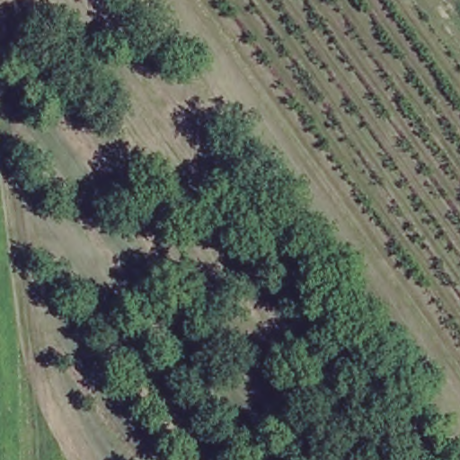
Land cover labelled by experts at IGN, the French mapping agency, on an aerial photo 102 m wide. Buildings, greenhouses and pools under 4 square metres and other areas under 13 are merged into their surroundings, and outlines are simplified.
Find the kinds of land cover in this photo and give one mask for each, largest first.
<instances>
[{"label":"herbaceous vegetation","instance_id":"1","mask_svg":"<svg viewBox=\"0 0 460 460\"><path fill-rule=\"evenodd\" d=\"M36 0H0V63L5 57L11 56V47L22 36L23 23L27 22V16L32 13V5ZM108 0H70L66 4V9L77 11L79 22L86 23V45L92 43L97 32L119 29L122 25L119 14L110 13L106 9ZM286 13L296 25H300L307 38L305 43H300L293 34H287L284 23L279 22V14L268 0H235L232 4V14L226 18L219 16L217 9L210 7L207 0H169L164 5L165 16L178 20L180 34L198 38L201 43H205L212 63L201 74L192 75L189 83L164 81L162 77H158L156 74L160 72V65L151 56L146 57L144 61H133L131 68L119 66L115 77L119 79L120 86L129 93L131 108L124 113L122 124L113 133H88V120L74 111L66 113L63 119L56 117L50 126L40 124V128H29L23 124L27 119L23 115V95L27 88V79L22 77L16 84L5 83L0 79V460H169L162 453V449H158V440L167 435L169 429L160 426V429L151 433L146 426H142V422L135 419L131 408L140 402V395L113 399L104 390L106 365L102 363L97 350L86 345V336L92 334L90 325L68 322L65 325L56 318L59 311L52 300L54 291L47 282L38 284L32 279L27 262L31 259V248H43L54 255L56 261L65 259L70 262V275L101 282L99 302L95 305V311L104 318L113 311L115 305L124 300L122 293L126 289L131 291L138 282L146 279L155 264L164 262L165 257L178 261V248L171 246L167 250L164 232L158 226L151 225L149 221L146 225L140 226L138 235L131 239H122L117 234H101L99 228H95L99 225L101 217L95 208V199L106 198L113 190L124 189L129 183V165L144 151L147 155L160 153L164 156L169 165L178 171L181 189L185 190V194L189 198L199 199V187L205 183L210 172L216 169V160L219 158L210 147L207 131L210 124L216 122V113L212 106L216 97H223V101L226 102H241L244 110H257L261 113V122H257L252 129L253 138H257L262 146L279 147L286 155L284 164L289 172L295 178H304L309 185V210L327 217V223L331 225L332 235L336 241L349 243L350 250L361 253L363 262L368 264L367 270L361 273V284H365V291L388 305L390 320L401 323L408 329V340L417 341L422 354L444 374L440 392L435 395L433 404L437 406L438 413H451L449 438L460 437V347H456L453 334L438 322V318H446L453 314L456 323L460 325V183L444 174L437 156L431 155V151L424 146L420 137L413 135V128L408 124V119L401 117V113L395 108L394 93L386 90L385 81L377 74L376 65L370 61L367 54L372 52L377 61H381L386 74L392 77L397 90L401 93L402 99L410 102L413 111L419 115L428 129L429 137L435 140L440 151H444L447 162L460 176V153L453 142L444 137L442 128L438 126V117H446L455 128L456 135H460V111L453 110L446 99L438 93L428 68L411 50L410 41L404 40L397 25L386 16L383 4L379 0H316L313 4L314 13L322 16L334 36V43H327V38L322 32L309 29L302 0H286ZM368 14L376 16L381 29L386 32V36L395 47L401 50L404 57L394 59L390 54H386L383 47L377 45ZM343 16H349L354 29L367 43V50L359 49L358 43L345 34ZM266 27H271L282 40L284 49L289 50L287 56H279L275 43L268 41ZM291 59H296L298 66L309 74L316 90L322 93L320 101H309L302 93L300 84L293 79L291 70L287 68V65H291ZM410 68L419 77L429 97L437 102V106L429 108L417 90L404 81V72ZM289 99H295L298 104H302L305 115H313L314 128L318 129L322 140H314L309 131H304L296 111L289 110L286 106ZM20 138L41 151L50 147L56 149L57 164L54 167V176L61 180L66 178L77 181L75 207L79 208V216L75 217V221H56L52 217L34 216V212L47 198V192L43 187L36 190L25 189L23 181L18 180L16 169L9 164L11 153ZM347 176L352 183H356V189L365 198L372 199V208H376L383 223H386L388 230L394 234L395 243L401 244L402 250L406 255H410L411 261L417 264L422 275L429 279V286H417L415 280L411 279L413 270L395 268V255H386V235L368 214L361 212V205L354 201L349 185L343 181ZM428 178H435L440 187L446 190L444 198L429 196L428 189L424 187V181H428ZM410 194H417L428 205L431 214L444 230L442 239L435 237L437 232L433 225L422 223L426 214L420 210H413ZM431 257H438V262L456 286H442L440 280L433 279ZM66 352H74V367H52L59 354ZM395 13L401 14L406 20V25L413 31L417 43L428 49V56L433 59L435 68L442 74V81L446 79L460 97V0H397ZM189 257L194 261H201L198 268L205 275L207 291L217 295L226 284L225 280L217 277L212 266L217 257L223 262L226 270L234 273H243L250 277L255 270L250 262L230 257L221 241L210 235L207 239L199 241V246L192 248ZM239 305L248 311L246 316H235L234 320H225L221 325L225 329L246 332L250 343L257 347V358L253 361V367L248 370L246 385L235 390H226L225 386L210 388L212 397H226L232 404H239L243 408L239 417L235 419V424L246 426L248 429L255 424H262L268 417L279 420L286 415L289 406L286 394L271 385L262 374L266 359L271 358V347L284 338L286 331L293 332L302 340L311 331L307 316L275 318V311L279 309L280 302L277 296L270 293L268 287H264L257 295V302L248 298L239 300ZM185 307H178L172 316L171 332L181 343V358L178 361L183 367H194L192 354L201 350V343L198 340H190L183 332ZM149 331H142L135 336H124L119 341L122 347L137 352L138 359L144 367L151 358L146 349ZM340 370L336 368V363L332 359H329L323 365L322 381L327 388H334L338 385ZM147 379L156 386L158 394L167 404L172 422L178 428H187L192 424L198 408L192 404L180 406L176 402L174 390L169 385V374L165 370H155L147 374ZM199 460H219V455H223L228 449L221 440L201 442L198 446Z\"/></svg>","mask_w":460,"mask_h":460},{"label":"deciduous trees","instance_id":"2","mask_svg":"<svg viewBox=\"0 0 460 460\"><path fill-rule=\"evenodd\" d=\"M70 0H36L32 5V13L27 16V22L23 23L22 36L11 47V56L5 57L0 63V79L5 83L16 84L22 77L27 79V88L23 95V115L27 119L23 124L29 128H40V124L50 126L56 117L63 119L66 113L74 111L88 120V133H113L122 124L124 113L131 108L129 93L120 86L119 79L115 77L119 66L131 68L133 61H144L146 57L151 56L160 65V72L156 74L158 77H162L164 81L189 83L192 75L201 74L212 63L205 43H201L198 38L180 34L178 20L165 16L164 5L169 0H108L106 9L110 13L119 14L122 25L119 29L97 32L92 43L86 45V23L79 22L77 11L66 9V4ZM210 7L217 9L219 16L226 18L232 14V4L235 0H207ZM279 14V22L284 23L287 34H293L300 43H305L307 38L300 25H296L286 13V0H268ZM309 29L322 32L327 38V43H334V36L322 16L314 13L313 4L316 0H302ZM383 4L386 16L397 25L404 40L410 41L411 50L428 68L438 93L446 99L453 110L460 111V97L446 79L442 81V74L435 68L433 59L428 56V49L417 43L413 31L406 25V20L401 14L395 13L397 0H379ZM377 45L383 47L386 54H390L394 59L404 57L401 50L395 47L386 36V32L381 29L376 16L368 14ZM345 34L358 43L359 49L367 50V43L354 29L349 16H343ZM268 41L275 43L279 56H287L289 50L284 49L282 40L271 27H266ZM370 61L376 65L377 74L385 81L386 90L394 93L395 108L401 113V117L408 119V124L413 128V135L420 137L424 146L431 151V155L437 156L444 174L460 183V176L447 162L444 151H440L435 140L429 137L428 129L419 115L413 111L410 102L402 99L401 93L397 90L392 77L386 74L381 61H377L372 52L367 54ZM287 68L291 70L293 79L300 84L302 93L309 101H320L322 93L316 90L309 74L298 66L296 59H291V65H287ZM404 81L417 90L429 108L437 106V102L429 97L419 77L410 68L404 72ZM216 113V122L210 124L207 131L210 147L219 158L216 160V169L210 172L205 183L199 187V199L189 198L185 194V190L181 189L178 171L169 165L164 156L160 153L147 155L144 151L129 165V183L124 189L113 190L106 198L95 199V208L101 217L99 225L95 228H99L101 234H117L122 239H131L138 235L140 226L146 225L149 221L151 225L158 226L164 232L167 250L171 246L178 248V261L165 257L164 262L155 264L146 279L138 282L131 291L126 289L122 293L124 300L115 305L113 311L104 318L95 311V305L99 302L101 282L70 275V262L65 259L56 261L54 255L43 248H31V259L27 262L32 279L38 284L47 282L54 291L52 300L59 311L56 318L65 325L68 322L90 325L92 334L86 336V345L97 350L102 363L106 365L104 390L113 399L140 395V402L131 408L135 419L142 422V426H146L151 433L160 429V426L169 429L167 435L158 440V449H162V453L169 460H199L198 446L201 442L221 440L228 449L223 455H219V460H460V437L449 438L451 413H438L437 406L433 404L435 395L440 392L444 374L422 354L417 341L408 340V329L401 323L390 320L388 305L365 291V284H361V273L367 270L368 264L363 262L361 253L350 250L349 243L336 241L332 235L331 225L327 223V217L309 210V185L304 178H295L289 172L284 164L286 155L279 147L262 146L257 138H253L252 129L257 122H261V113L257 110H244L241 102H226L223 101V97H216L212 106ZM210 235L221 241L230 257L250 262L255 270L250 277L243 273H234L226 270L223 262L217 257L212 266L217 277L225 280L226 284L217 295L207 291L205 275L198 268L201 261H194L189 257L192 248L199 246V241L207 239ZM264 287H268L270 293L277 296L280 302L279 309L275 311V318L307 316L311 331L302 340L293 332L286 331L284 338L271 347V358L266 359L262 374L271 385L286 394L289 406L286 415L279 420L268 417L262 424H255L248 429L246 426L235 424V419L239 417L243 408L239 404H232L226 397H212L210 388L225 386L226 390H235L246 385L248 370L253 367V361L257 358V347L250 343L246 332L225 329L221 325L225 320H234L235 316H246L248 311L239 305V300L248 298L257 302V295ZM178 307H185L183 332L190 340H198L201 343V350L192 354L194 367H183L178 361L181 358V343L171 332L172 316ZM142 331H149L146 349L151 358L144 367L138 359L137 352L122 347L119 341L124 336H135ZM329 359H332L336 363V368L340 370L338 385L334 388H327L322 381L323 365ZM155 370H165L169 374V385L174 390L176 402L180 406L192 404L198 408L192 424L187 428H178L172 422L167 404L158 394L156 386L147 379V374ZM286 106L289 110L296 111L304 131H309L314 140H322L318 129L314 128L313 115H305L302 104H298L295 99H289ZM438 126L442 128L444 137L453 142L460 153V135H456L455 128L446 117H438ZM9 164L16 169L18 180L23 181L25 189L36 190L43 187L47 192V198L34 212V216L52 217L56 221H75V217L79 216V208L75 207L77 181L66 178L61 180L54 176V167L57 164L56 149L50 147L41 151L20 138L11 153ZM343 181L349 185L354 201L361 205V212L368 214L386 235V255H395V268L413 270L411 279L415 280L417 286H429V279L422 275L417 264L411 261L410 255H406L402 250L401 244L395 243L394 234L388 230L386 223H383L376 208H372V199L365 198L356 189V183H352L347 176ZM424 187L428 189L429 196L444 198L446 190L440 187L435 178H428V181H424ZM413 210H420L426 214L422 223L433 225L437 232L435 237L442 239L444 230L431 214L428 205L417 194H410ZM433 279L440 280L442 286H456L438 262V257H431ZM438 322L453 334L456 347H460V325L456 323L453 314L446 318H438ZM52 367H74V352H66L59 354Z\"/></svg>","mask_w":460,"mask_h":460}]
</instances>
